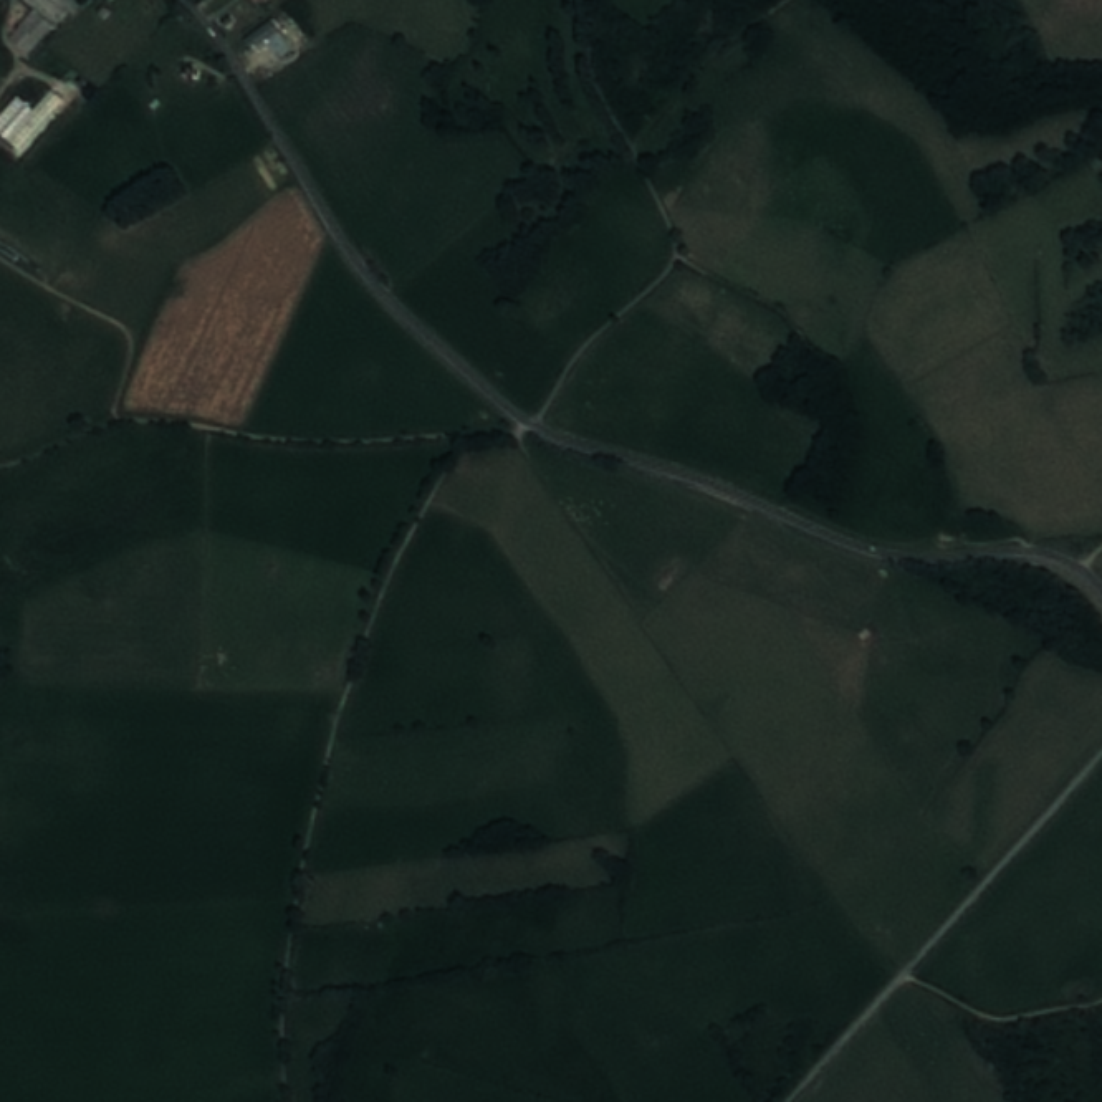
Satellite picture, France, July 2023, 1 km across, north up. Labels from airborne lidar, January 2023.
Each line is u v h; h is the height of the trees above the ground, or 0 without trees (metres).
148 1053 0
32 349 0
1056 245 0
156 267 0
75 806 0
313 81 0
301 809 0
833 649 0
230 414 0
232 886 0
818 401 18
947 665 0
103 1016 0
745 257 0
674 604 0
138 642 0
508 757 0
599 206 0
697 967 0
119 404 0
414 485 0
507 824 13
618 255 0
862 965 0
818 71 0
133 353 0
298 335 0
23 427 0
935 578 11
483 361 0
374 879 0
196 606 0
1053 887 0
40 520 0
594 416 0
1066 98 17
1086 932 0
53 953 0
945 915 0
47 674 0
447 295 0
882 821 0
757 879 0
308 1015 0
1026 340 0
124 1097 0
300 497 0
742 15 9
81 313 0
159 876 0
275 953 0
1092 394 0
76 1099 0
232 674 0
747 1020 7
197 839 0
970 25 17
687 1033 0
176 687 0
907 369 0
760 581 0
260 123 8
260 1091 0
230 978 0
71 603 0
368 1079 0
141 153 0
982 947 0
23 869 0
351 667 13
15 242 0
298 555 0
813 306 0
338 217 0
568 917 0
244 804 0
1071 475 0
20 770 0
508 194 11
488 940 0
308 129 0
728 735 0
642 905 0
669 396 0
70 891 0
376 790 0
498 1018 0
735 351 0
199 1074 0
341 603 0
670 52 7
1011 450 0
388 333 0
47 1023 0
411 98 0
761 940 0
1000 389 0
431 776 0
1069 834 0
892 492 0
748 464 0
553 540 0
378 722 0
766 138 0
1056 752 0
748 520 0
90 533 0
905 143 0
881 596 0
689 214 0
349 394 0
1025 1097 7
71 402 0
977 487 0
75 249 0
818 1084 0
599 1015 0
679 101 0
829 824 0
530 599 0
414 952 0
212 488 0
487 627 0
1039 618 9
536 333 0
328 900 0
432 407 0
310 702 0
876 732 0
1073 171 11
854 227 0
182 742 0
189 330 0
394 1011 0
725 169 0
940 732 0
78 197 0
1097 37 0
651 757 0
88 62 0
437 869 0
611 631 0
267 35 0
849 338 0
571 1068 0
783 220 0
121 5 0
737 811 0
